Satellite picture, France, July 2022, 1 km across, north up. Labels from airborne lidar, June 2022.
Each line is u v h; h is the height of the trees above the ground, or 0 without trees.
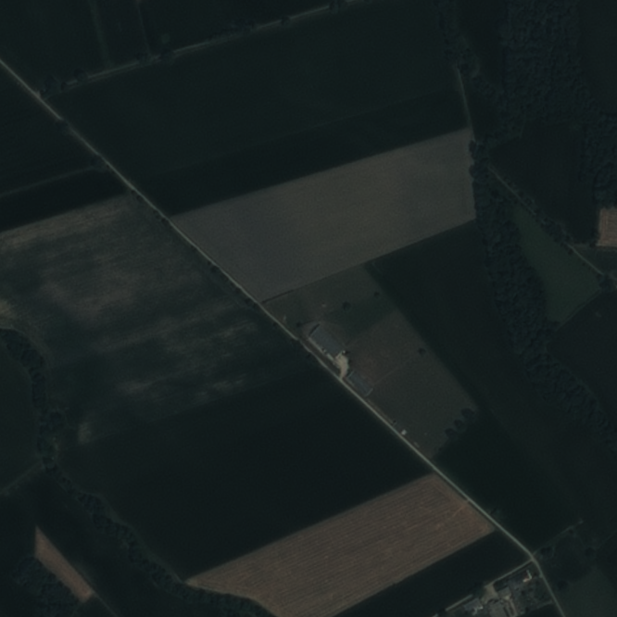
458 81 0
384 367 0
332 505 0
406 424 0
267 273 0
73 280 0
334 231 0
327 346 0
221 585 0
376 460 0
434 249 0
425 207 0
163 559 0
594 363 0
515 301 18
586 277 0
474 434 0
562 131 0
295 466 0
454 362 0
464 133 0
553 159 0
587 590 0
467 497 0
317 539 0
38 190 0
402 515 0
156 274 0
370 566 0
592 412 25
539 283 12
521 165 0
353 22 0
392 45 0
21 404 0
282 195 0
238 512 0
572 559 0
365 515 0
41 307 0
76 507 0
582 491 0
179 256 0
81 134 0
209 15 0
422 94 0
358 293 0
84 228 0
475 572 0
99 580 0
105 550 0
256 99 0
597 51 0
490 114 0
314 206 0
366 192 0
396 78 0
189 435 0
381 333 0
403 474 0
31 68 0
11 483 0
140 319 0
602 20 0
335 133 0
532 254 0
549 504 0
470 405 0
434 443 0
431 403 0
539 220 9
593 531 0
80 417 0
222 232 0
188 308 0
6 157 0
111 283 0
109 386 0
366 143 0
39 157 0
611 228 0
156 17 0
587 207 0
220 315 0
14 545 0
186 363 0
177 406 0
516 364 0
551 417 0
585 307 0
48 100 0
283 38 0
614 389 0
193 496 0
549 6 20
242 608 14
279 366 0
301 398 0
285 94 0
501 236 11
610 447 18
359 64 0
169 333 0
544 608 0
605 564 0
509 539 0
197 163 0
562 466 0
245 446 0
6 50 0
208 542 0
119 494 0
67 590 19
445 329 0
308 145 0
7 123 0
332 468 0
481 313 0
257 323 0
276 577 0
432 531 0
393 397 0
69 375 0
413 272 0
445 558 0
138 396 0
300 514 0
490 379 0
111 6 0
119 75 0
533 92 16
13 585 0
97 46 0
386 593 0
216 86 0
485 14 0
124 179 0
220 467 0
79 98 0
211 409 0
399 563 0
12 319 0
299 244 0
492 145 13
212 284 0
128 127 0
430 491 0
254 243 0
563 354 0
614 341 0
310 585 0
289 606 0
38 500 0
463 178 0
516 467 0
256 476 0
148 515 0
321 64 0
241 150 0
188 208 0
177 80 0
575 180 0
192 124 0
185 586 8
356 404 0
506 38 19
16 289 0
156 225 0
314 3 0
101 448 0
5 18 0
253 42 0
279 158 0
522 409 0
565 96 21
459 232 0
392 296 0
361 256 0
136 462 0
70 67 0
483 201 22
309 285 0
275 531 0
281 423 0
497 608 0
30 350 15
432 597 0
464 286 0
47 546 0
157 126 0
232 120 0
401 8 0
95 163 18
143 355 0
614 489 0
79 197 0
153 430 0
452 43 19
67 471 0
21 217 0
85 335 0
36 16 0
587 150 18
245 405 0
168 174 0
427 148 0
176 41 0
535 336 20
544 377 23
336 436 0
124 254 0
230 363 0
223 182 0
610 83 0
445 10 24
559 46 26
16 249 0
